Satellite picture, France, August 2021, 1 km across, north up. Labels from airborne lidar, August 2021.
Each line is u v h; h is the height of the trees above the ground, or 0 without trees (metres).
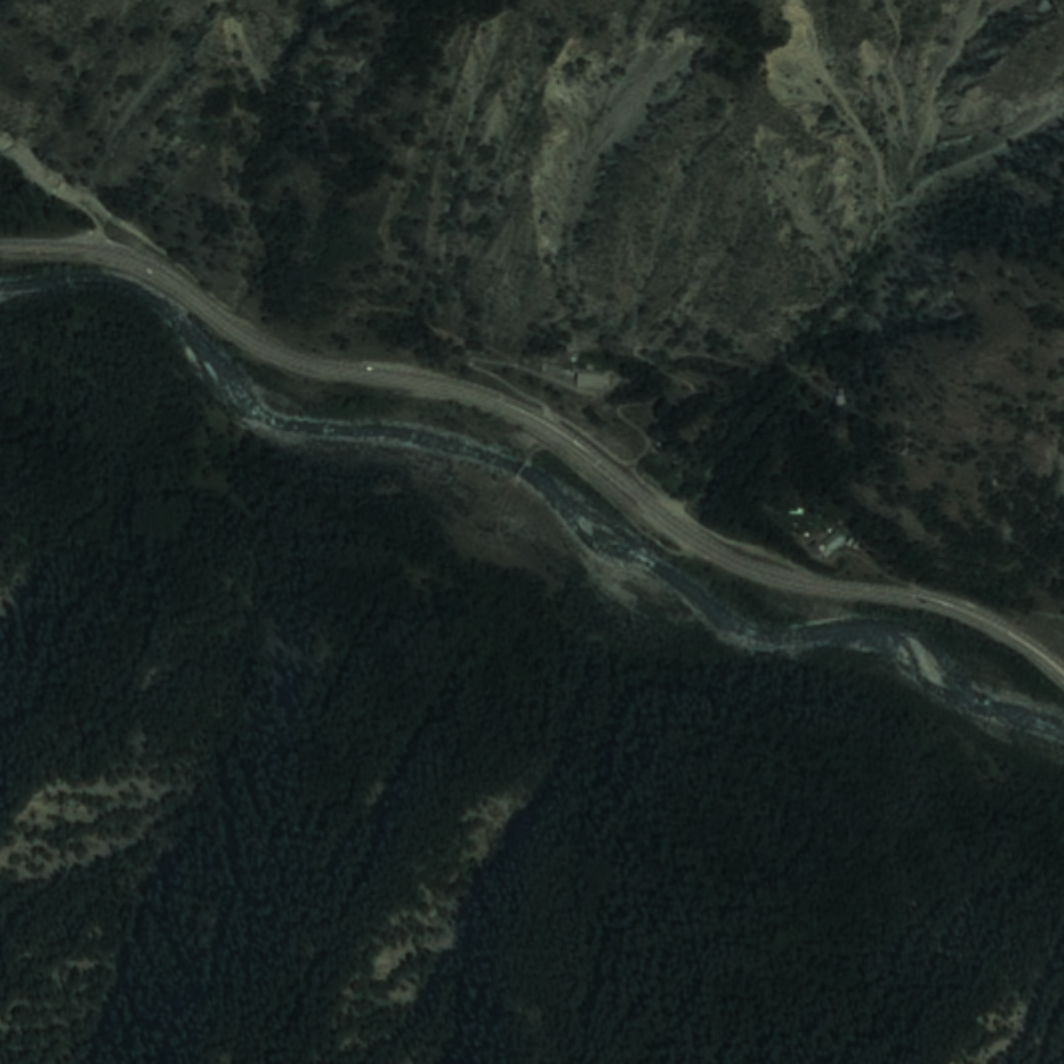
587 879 23
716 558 0
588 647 15
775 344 6
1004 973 10
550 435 0
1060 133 8
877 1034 12
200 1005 16
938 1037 23
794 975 16
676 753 18
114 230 0
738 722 21
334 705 15
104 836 13
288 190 10
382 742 17
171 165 10
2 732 14
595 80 6
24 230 17
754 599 6
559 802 14
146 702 22
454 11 8
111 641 19
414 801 18
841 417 16
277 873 20
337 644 12
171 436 11
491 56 0
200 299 0
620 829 24
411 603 14
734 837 10
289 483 10
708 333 6
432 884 10
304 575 17
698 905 22
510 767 16
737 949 25
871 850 11
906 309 7
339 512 9
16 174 9
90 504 16
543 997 19
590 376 0
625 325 7
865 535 12
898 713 8
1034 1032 10
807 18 0
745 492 16
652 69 0
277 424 0
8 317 14
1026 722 0
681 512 0
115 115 8
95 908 19
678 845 8
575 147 0
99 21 8
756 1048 11
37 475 18
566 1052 20
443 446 0
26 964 16
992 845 16
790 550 18
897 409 9
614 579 0
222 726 19
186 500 13
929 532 8
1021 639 0
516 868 26
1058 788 9
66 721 13
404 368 0
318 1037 21
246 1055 15
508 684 13
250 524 12
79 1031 15
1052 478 10
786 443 17
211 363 0
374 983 10
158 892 24
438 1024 26
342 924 22
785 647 0
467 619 9
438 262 12
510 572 8
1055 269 13
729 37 8
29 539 7
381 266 8
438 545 10
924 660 0
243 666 15
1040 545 14
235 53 9
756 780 16
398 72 6
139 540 11
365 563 17
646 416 0
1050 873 13
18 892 26
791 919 14
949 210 9
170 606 13
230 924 23
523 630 11
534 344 9
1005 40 7
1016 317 0
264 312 9
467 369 9
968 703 0
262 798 27
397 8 10
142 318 11
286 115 11
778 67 0
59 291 7
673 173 0
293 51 10
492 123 0
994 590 11
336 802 9
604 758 13
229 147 10
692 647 7
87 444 13
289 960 21
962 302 8
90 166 16
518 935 19
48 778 6
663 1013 8
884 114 8
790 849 12
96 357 16
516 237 0
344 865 28
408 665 28
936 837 22
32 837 13
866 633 0
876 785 11
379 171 10
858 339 16
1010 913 26
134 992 15
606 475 0
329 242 10
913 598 0
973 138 7
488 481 0
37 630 8
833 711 25
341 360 0
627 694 10
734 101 8
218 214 13
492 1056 27
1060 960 9
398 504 11
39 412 20
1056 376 8
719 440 9
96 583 17
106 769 11
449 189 6
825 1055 17
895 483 10
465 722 21
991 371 0
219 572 13
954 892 25
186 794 11
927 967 18
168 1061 25
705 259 0
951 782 7
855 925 13
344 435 0
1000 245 8
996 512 13
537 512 0
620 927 28
